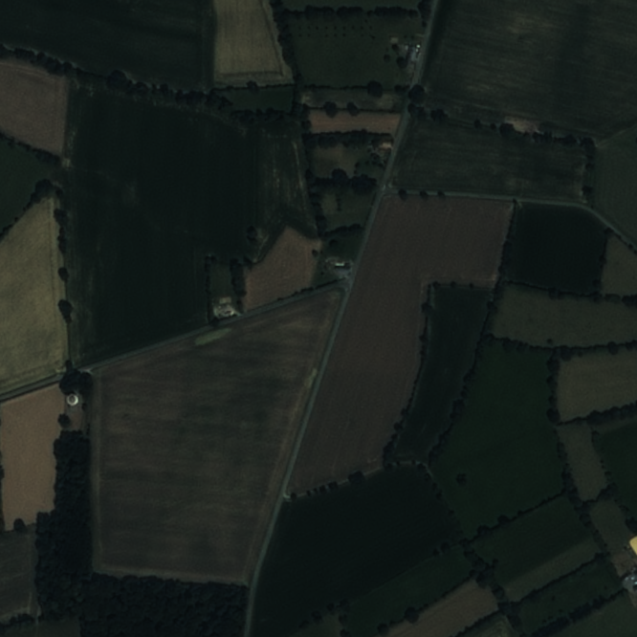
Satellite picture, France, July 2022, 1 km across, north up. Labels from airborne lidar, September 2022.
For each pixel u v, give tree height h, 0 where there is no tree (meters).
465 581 10
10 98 0
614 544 0
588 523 15
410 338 0
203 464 0
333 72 0
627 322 0
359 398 0
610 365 0
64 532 21
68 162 0
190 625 27
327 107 13
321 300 0
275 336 0
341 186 18
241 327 0
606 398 0
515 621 14
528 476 0
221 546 0
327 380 0
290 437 0
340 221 0
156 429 0
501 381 0
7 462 0
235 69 0
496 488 0
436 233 0
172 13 0
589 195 19
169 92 20
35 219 0
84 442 17
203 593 24
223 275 0
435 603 8
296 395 0
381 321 0
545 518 0
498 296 13
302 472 0
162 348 0
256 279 0
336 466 0
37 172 0
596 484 0
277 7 19
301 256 0
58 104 0
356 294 0
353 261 0
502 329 0
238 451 0
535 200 0
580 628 0
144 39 0
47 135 0
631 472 0
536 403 0
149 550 0
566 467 9
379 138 8
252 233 13
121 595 13
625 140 0
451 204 0
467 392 11
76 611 24
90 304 0
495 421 0
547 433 0
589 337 0
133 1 0
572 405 0
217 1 0
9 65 0
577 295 7
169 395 0
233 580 0
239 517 0
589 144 20
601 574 0
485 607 0
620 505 7
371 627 0
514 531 0
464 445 0
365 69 0
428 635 0
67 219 15
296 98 11
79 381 23
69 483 17
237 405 0
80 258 0
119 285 0
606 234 14
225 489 0
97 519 0
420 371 7
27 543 0
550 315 0
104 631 20
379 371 0
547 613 0
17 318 0
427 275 0
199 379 0
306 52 0
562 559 0
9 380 0
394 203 0
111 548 0
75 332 0
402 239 0
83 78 7
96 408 0
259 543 0
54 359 0
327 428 0
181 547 0
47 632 0
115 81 21
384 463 7
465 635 6
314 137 18
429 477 13
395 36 0
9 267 0
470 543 14
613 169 0
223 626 26
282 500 0
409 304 0
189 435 0
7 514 0
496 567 13
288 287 0
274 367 0
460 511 0
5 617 0
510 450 0
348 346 0
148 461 0
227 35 0
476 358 8
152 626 27
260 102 0
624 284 0
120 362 0
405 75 0
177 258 0
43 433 0
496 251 0
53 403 0
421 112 16
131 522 0
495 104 0
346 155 0
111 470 0
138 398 0
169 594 23
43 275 0
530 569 0
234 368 0
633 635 0
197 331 0
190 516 0
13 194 0
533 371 0
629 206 0
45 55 10
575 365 0
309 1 0
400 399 0
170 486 0
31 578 0
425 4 15
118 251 0
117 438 0
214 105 14
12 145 13
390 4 0
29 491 0
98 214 0
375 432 0
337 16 7
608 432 0
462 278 0
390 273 0
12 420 0
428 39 0
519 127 0
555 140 10
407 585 0
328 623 0
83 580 7
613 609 0
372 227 0
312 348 0
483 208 0
